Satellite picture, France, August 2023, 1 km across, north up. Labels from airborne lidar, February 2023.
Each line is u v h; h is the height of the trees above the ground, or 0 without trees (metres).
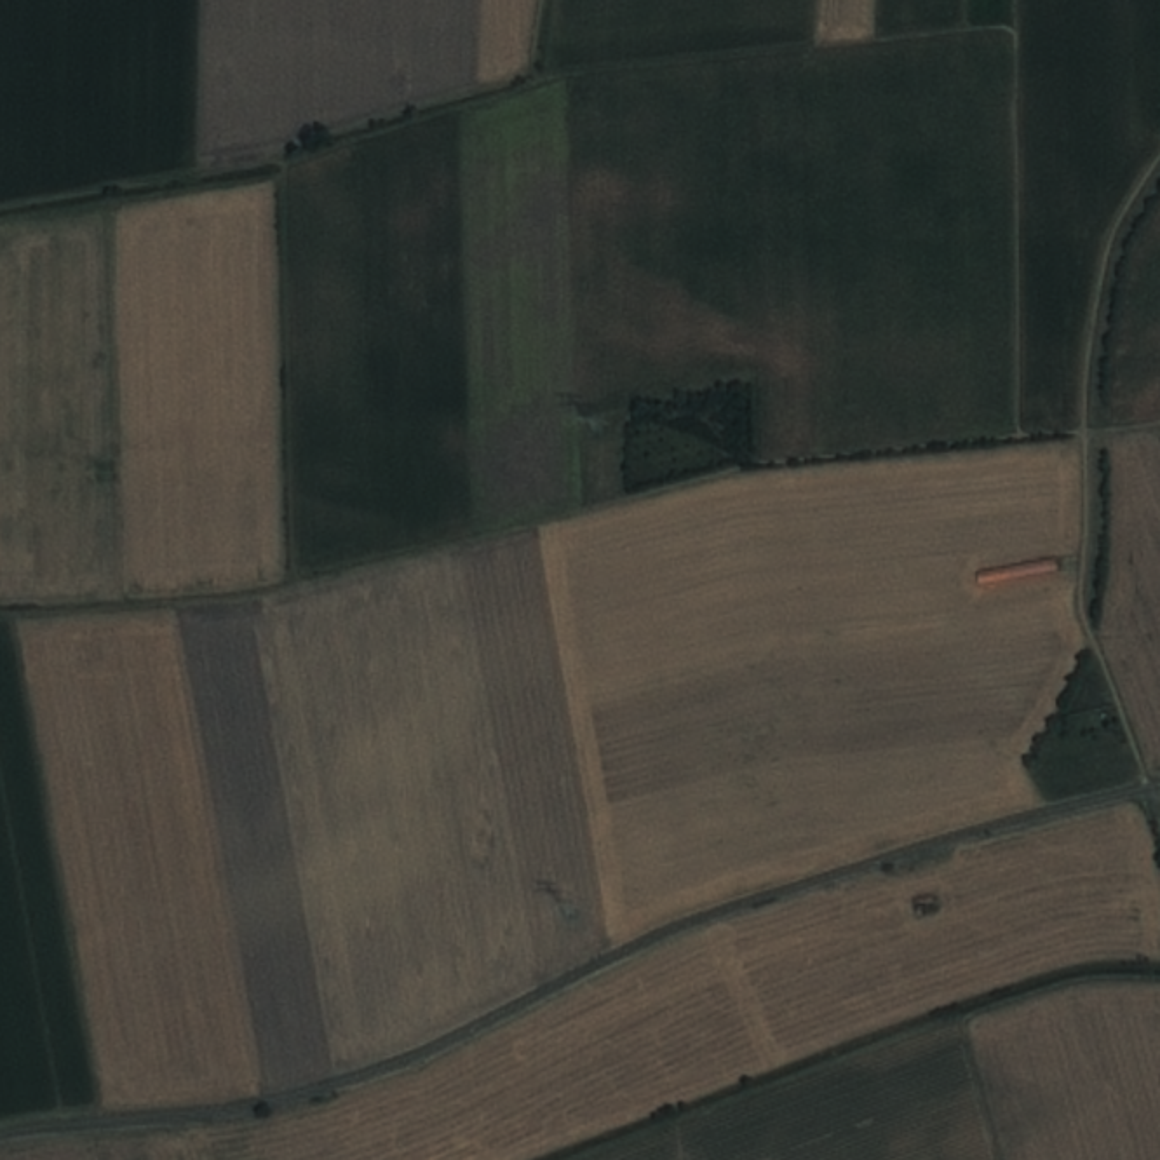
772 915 0
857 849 0
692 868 0
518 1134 0
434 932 0
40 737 0
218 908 0
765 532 0
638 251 0
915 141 0
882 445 0
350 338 0
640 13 0
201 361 0
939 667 0
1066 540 0
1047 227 0
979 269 0
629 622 0
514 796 0
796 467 9
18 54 0
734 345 0
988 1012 0
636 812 0
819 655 0
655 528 0
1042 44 0
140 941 0
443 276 0
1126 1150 0
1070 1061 0
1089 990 0
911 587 0
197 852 0
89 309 0
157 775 0
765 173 0
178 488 0
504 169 0
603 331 0
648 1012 0
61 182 0
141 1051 0
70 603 0
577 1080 0
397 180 0
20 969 0
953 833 0
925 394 0
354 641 0
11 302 0
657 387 0
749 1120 0
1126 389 0
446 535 0
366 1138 0
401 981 0
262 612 0
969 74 0
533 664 0
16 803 0
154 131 0
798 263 0
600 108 0
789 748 0
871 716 0
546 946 0
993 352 0
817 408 0
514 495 0
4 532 0
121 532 0
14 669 0
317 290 0
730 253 0
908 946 0
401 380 0
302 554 0
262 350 0
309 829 0
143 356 0
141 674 0
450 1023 0
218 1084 0
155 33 0
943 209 0
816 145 0
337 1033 0
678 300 0
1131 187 0
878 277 0
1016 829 0
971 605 0
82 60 0
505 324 0
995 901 0
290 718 0
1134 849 0
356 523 0
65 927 0
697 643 0
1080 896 0
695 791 0
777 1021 0
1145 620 0
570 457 0
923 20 0
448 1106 0
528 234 0
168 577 0
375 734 0
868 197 0
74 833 0
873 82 0
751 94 0
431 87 0
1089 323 0
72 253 0
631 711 0
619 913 0
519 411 0
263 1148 0
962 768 0
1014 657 0
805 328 0
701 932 0
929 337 0
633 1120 0
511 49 0
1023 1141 0
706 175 0
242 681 0
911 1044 0
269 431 0
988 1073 0
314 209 0
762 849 0
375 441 0
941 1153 0
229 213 0
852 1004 0
